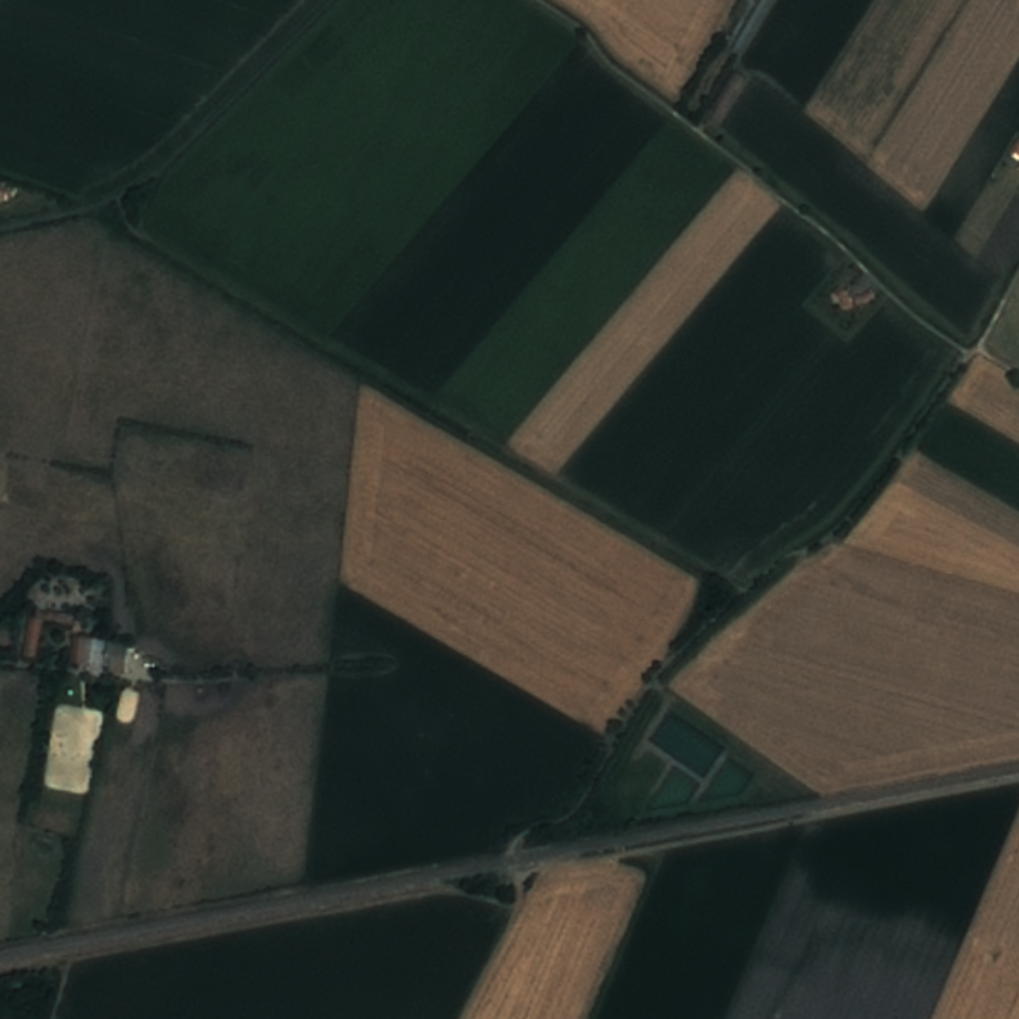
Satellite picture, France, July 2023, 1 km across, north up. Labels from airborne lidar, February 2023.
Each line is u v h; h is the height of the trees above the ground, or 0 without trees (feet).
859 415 0
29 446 0
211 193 0
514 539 0
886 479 24
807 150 0
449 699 0
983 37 0
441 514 0
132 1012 0
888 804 0
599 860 0
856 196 0
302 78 0
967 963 0
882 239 0
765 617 0
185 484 0
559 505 0
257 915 0
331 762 0
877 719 0
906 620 0
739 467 0
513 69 0
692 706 0
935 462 0
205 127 0
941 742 0
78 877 0
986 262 0
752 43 0
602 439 0
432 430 0
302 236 0
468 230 0
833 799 0
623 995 0
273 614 0
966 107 0
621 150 0
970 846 0
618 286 0
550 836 26
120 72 0
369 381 0
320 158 0
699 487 0
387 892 0
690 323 0
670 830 0
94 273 0
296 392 0
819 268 0
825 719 0
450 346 0
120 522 0
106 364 0
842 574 0
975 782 0
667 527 0
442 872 0
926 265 0
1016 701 0
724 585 30
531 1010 0
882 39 0
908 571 0
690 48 0
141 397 0
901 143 0
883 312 0
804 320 0
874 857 0
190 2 0
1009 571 0
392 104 0
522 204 0
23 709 0
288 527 0
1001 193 0
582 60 0
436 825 0
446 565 0
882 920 0
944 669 0
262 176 0
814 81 0
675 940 0
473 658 0
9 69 0
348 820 0
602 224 0
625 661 0
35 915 0
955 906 0
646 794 0
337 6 0
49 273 0
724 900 0
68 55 0
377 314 0
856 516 20
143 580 0
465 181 0
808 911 0
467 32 0
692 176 0
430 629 0
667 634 0
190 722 0
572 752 0
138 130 0
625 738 28
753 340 0
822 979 0
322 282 0
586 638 0
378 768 0
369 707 0
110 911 0
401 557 0
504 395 0
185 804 0
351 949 0
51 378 0
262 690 0
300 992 0
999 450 0
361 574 0
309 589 0
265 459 0
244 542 0
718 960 0
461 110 0
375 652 0
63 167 0
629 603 0
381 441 0
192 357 0
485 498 0
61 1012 0
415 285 0
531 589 0
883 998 0
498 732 0
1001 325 0
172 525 0
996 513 0
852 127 0
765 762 0
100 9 0
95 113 0
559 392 0
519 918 0
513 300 0
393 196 0
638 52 0
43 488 0
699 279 0
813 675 0
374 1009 0
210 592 0
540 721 0
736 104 0
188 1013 0
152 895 0
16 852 0
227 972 0
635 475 0
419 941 0
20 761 0
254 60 0
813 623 0
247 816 0
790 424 0
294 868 0
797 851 0
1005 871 0
